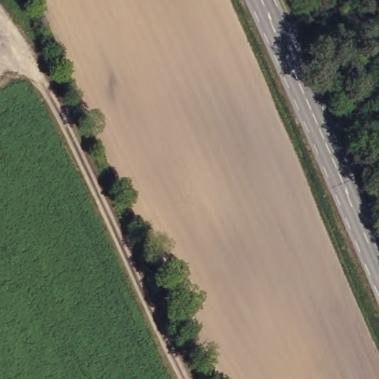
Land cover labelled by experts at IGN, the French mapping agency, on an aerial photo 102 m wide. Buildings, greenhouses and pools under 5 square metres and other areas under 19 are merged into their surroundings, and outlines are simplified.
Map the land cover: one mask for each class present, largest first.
<instances>
[{"label":"plowed land","instance_id":"1","mask_svg":"<svg viewBox=\"0 0 379 379\"><path fill-rule=\"evenodd\" d=\"M47 6L44 21L49 24L50 31L55 40L64 46L65 58L73 64V80L74 83L86 104V114L93 118V135L102 142L110 166L117 172L118 178L130 179L133 189L138 192L132 210L135 215L141 216L150 224L148 241L157 244L188 265L191 281L189 290L194 292L192 305L198 309L192 320H197L201 326L197 342L198 345L203 346L210 357L216 358V372L222 373L227 379H379V351L351 286L346 280L335 247L327 234L326 225L318 212L301 161L275 108L274 99L259 67L258 59L241 27L231 0H44Z\"/></svg>","mask_w":379,"mask_h":379},{"label":"agricultural land","instance_id":"2","mask_svg":"<svg viewBox=\"0 0 379 379\"><path fill-rule=\"evenodd\" d=\"M0 379H176L172 369L164 363L158 351L147 318L121 265L95 200L90 195L70 148L40 92L27 77L10 80L0 90Z\"/></svg>","mask_w":379,"mask_h":379},{"label":"impervious surface","instance_id":"3","mask_svg":"<svg viewBox=\"0 0 379 379\"><path fill-rule=\"evenodd\" d=\"M250 15L255 19L277 76L286 90L290 107L295 113L296 124H299L305 133L308 142L306 147L312 151V160L323 173L326 187L335 200L339 215L348 231L349 240L354 244L355 252L379 305V235L372 215L375 197L369 194L367 185L366 182H360L363 164L355 163L351 152H348V148L339 141L338 136L352 123L345 115L335 114L332 92H317L309 84V64L314 58L309 53L301 52V44L292 33L290 22L284 18V13H289V7L284 0H244Z\"/></svg>","mask_w":379,"mask_h":379},{"label":"coniferous trees","instance_id":"4","mask_svg":"<svg viewBox=\"0 0 379 379\"><path fill-rule=\"evenodd\" d=\"M284 18L290 22L292 33L301 44V52L309 53L314 58L309 64V84L317 92H332L335 114L345 115L352 123L338 136L339 141L348 148L351 142L360 139L358 135L363 132L364 124L379 120V0H336L332 9L321 10L318 7L317 10L302 15L289 13H284ZM355 163L363 164L360 182H366L367 185L379 170V152L372 150V147H363L351 152Z\"/></svg>","mask_w":379,"mask_h":379},{"label":"deciduous trees","instance_id":"5","mask_svg":"<svg viewBox=\"0 0 379 379\"><path fill-rule=\"evenodd\" d=\"M289 7V13L302 15L317 10L318 7L321 10L332 9L336 0H284ZM44 56L49 62L50 74L55 80L65 83H71L73 80V64L65 58L64 46L55 40L50 31L49 34H43ZM360 139L351 142L348 148V152H351L363 147H372V150L379 152V120L364 124L363 132L358 135ZM369 194L375 197L372 215L379 235V170L367 185ZM115 200L110 201L111 209L120 224L123 243L130 249L139 241L145 247L148 262L163 261V266L157 272L155 295L161 314L169 315V335L164 338L166 343L175 341L178 345H185L188 341L197 342L201 326L197 320H192L198 309L192 305L194 292L189 290L191 281L188 265L157 244L148 241L150 224L141 216L135 215L132 210L138 192L133 189L130 179L118 178L113 185ZM192 360L185 364L191 373L189 379H227L222 373L216 372V358L210 357L203 346L198 345L191 352Z\"/></svg>","mask_w":379,"mask_h":379},{"label":"herbaceous vegetation","instance_id":"6","mask_svg":"<svg viewBox=\"0 0 379 379\"><path fill-rule=\"evenodd\" d=\"M241 27L258 59L259 67L274 99L275 108L301 161L318 212L326 225L327 234L335 247L346 280L351 286L379 351V305L355 252L354 244L349 240L348 231L339 215L335 200L326 187L323 173L312 160V151L306 147L308 142L305 133L299 124H296L295 113L290 107L286 90L277 76L255 19L250 15L244 0H231ZM74 83L73 80L71 83H65L55 80L50 81L49 86L59 99L67 95ZM118 178L117 172L110 166L102 170L98 176L102 192L110 201L115 200L113 185ZM130 264L142 274L145 301L148 305L154 306L152 317L164 338L169 335V315L161 314L155 295L157 272L163 266V261L148 262L145 247L139 241L130 249Z\"/></svg>","mask_w":379,"mask_h":379},{"label":"pervious surface","instance_id":"7","mask_svg":"<svg viewBox=\"0 0 379 379\"><path fill-rule=\"evenodd\" d=\"M33 46L28 44L0 4V90L10 80L27 77L40 92L70 148L90 195L95 200L121 265L147 318L158 351L164 363L172 369L176 379H189L191 373L185 364L192 360L191 352L198 345L197 342L188 341L185 345H178L175 341L166 343L164 338L152 317L154 306L148 305L145 301L142 274L130 264V249L123 243L120 224L111 209L110 201L102 192L98 176L93 172L86 152L81 148L76 127L71 126L67 115L61 113L59 99L49 86L50 81L55 80L50 74L49 62L44 56L43 34L31 41Z\"/></svg>","mask_w":379,"mask_h":379},{"label":"brushwood","instance_id":"8","mask_svg":"<svg viewBox=\"0 0 379 379\"><path fill-rule=\"evenodd\" d=\"M0 4L28 44L33 46L31 41L43 34H49L50 31L49 24L44 21L47 6L44 0H0ZM61 113L67 115L71 126L76 127L81 148L86 152L93 172L98 176L102 170L110 166L102 142L93 135V118L86 114V104L74 83L67 95L59 99Z\"/></svg>","mask_w":379,"mask_h":379}]
</instances>
